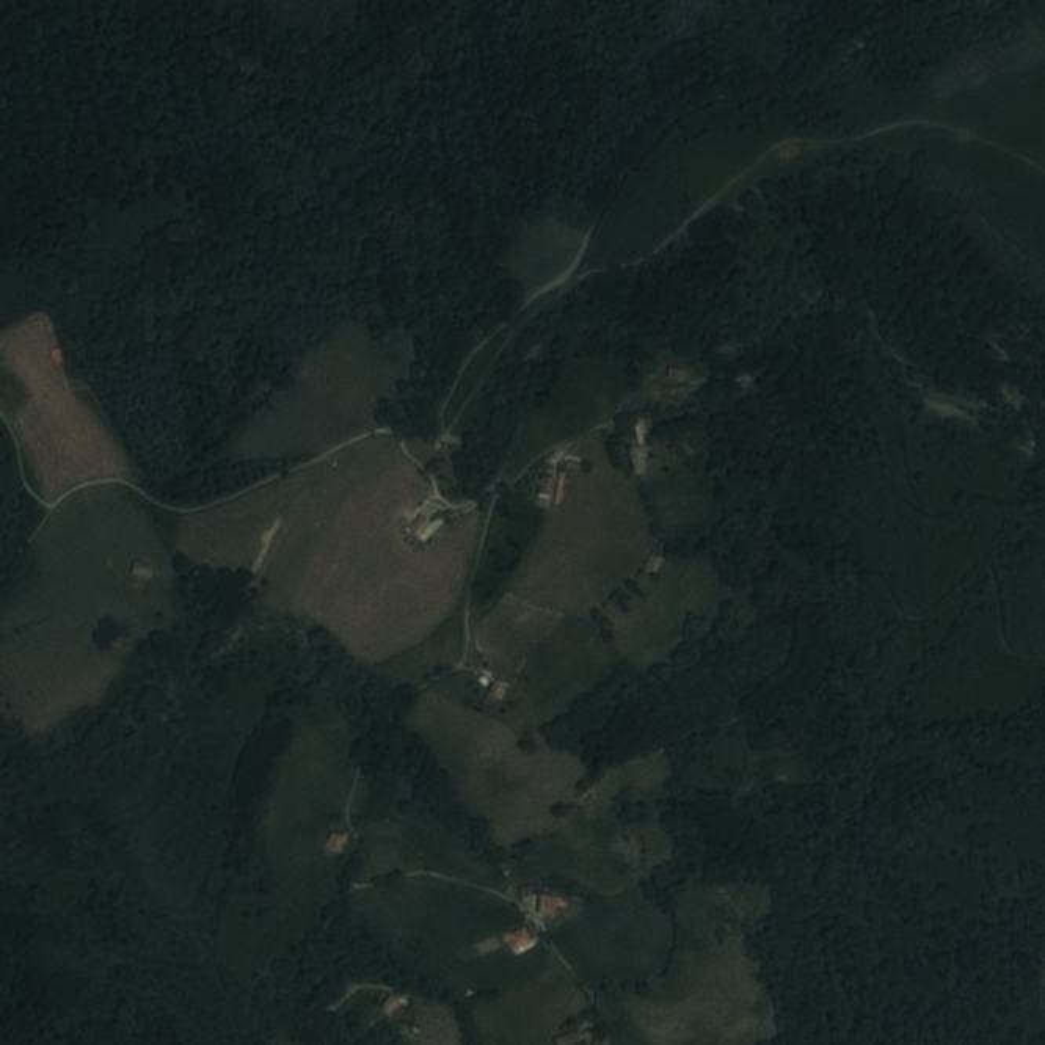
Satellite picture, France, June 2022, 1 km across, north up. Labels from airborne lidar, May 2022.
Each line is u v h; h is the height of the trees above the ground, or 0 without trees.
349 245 24
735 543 25
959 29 24
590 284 8
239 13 11
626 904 0
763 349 15
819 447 29
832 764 19
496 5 23
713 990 0
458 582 0
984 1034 21
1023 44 0
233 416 22
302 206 16
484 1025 0
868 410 25
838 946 19
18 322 0
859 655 22
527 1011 0
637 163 13
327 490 0
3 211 26
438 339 18
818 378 22
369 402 0
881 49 18
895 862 14
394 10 23
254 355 10
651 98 9
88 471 0
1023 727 15
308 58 16
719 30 16
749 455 11
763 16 21
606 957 0
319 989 18
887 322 21
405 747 12
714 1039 0
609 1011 0
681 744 16
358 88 26
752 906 0
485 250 17
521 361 11
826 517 25
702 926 0
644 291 22
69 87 35
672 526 0
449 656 0
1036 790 16
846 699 24
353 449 0
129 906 6
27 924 6
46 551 0
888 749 30
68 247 15
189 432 27
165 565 0
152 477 23
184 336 21
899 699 14
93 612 0
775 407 11
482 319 15
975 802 12
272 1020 15
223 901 10
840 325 30
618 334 22
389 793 0
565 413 0
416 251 19
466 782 0
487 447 12
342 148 20
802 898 28
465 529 0
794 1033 21
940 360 20
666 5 11
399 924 0
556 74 16
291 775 0
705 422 17
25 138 29
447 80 19
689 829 23
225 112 26
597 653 0
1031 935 19
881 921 14
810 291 17
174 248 20
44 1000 12
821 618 7
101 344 18
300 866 0
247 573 14
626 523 0
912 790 18
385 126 13
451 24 28
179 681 17
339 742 0
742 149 0
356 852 8
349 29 10
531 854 14
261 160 24
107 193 15
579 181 12
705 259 24
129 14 11
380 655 0
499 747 0
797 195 21
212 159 30
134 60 24
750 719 8
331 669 21
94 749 17
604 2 13
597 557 0
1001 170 0
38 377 0
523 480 6
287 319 21
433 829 0
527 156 18
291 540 0
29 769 17
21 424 0
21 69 33
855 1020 24
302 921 0
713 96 16
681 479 0
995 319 29
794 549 13
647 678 7
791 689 12
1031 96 0
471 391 0
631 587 9
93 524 0
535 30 25
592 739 23
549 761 0
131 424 25
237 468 9
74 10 24
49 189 27
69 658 0
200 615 7
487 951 0
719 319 17
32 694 0
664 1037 0
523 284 11
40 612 0
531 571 0
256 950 0
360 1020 9
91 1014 8
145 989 6
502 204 30
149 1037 22
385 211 17
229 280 20
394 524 0
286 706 19
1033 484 9
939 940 35
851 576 22
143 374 21
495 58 38
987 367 30
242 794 9
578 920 0
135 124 22
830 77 12
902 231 25
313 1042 23
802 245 19
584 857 0
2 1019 37
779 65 19
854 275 28
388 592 0
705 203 0
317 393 0
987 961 20
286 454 0
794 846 38
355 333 0
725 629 26
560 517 0
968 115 0
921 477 12
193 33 17
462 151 27
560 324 11
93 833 7
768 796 10
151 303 23
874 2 20
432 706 0
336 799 0
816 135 0
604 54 14
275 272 16
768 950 10
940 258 26
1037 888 16
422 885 0
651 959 0
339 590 0
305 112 16
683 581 0
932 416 13
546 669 0
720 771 0
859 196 16
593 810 0
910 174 15
